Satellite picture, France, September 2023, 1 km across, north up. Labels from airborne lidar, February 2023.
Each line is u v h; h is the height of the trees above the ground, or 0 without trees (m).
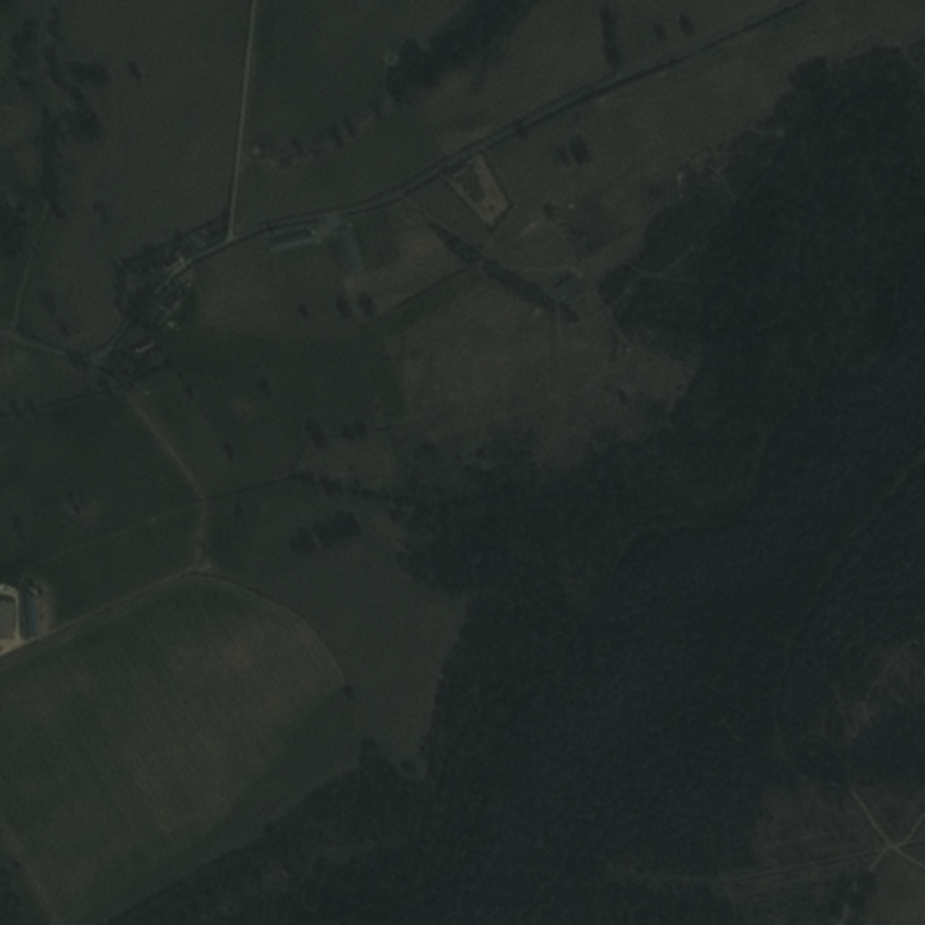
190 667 0
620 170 0
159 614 0
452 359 0
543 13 0
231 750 0
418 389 0
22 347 0
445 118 0
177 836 0
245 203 0
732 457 24
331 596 0
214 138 0
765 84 0
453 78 0
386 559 0
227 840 0
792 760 0
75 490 0
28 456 0
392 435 0
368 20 0
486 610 19
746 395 17
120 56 0
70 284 0
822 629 6
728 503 5
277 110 0
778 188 17
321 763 0
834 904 10
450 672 13
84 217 0
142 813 0
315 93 0
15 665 0
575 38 0
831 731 8
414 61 21
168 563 0
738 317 11
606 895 17
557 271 0
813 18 0
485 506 14
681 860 17
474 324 0
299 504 0
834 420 19
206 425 0
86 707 0
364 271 0
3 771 0
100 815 0
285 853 9
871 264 22
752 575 24
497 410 0
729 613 29
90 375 0
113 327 0
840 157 19
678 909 15
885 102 12
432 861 20
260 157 0
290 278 0
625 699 11
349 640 0
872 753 20
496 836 18
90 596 0
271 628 0
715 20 0
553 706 22
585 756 16
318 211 0
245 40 0
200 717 0
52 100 0
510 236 0
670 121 0
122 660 0
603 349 0
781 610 20
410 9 0
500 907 25
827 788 10
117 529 0
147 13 0
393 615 0
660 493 21
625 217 0
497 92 0
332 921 16
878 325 7
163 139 0
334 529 15
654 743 15
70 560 0
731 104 0
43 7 0
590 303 0
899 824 14
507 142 0
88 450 0
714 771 13
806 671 5
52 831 0
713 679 23
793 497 18
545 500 12
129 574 0
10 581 0
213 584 0
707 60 0
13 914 22
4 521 0
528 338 0
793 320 18
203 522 0
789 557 27
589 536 16
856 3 0
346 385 0
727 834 13
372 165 0
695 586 19
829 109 17
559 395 0
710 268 6
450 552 21
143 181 0
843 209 22
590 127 0
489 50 0
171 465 0
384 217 0
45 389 0
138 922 9
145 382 0
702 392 17
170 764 0
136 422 0
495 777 28
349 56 0
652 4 0
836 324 15
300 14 0
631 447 8
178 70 0
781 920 13
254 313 0
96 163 0
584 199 0
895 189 23
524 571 10
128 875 0
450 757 16
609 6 0
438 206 0
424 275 0
